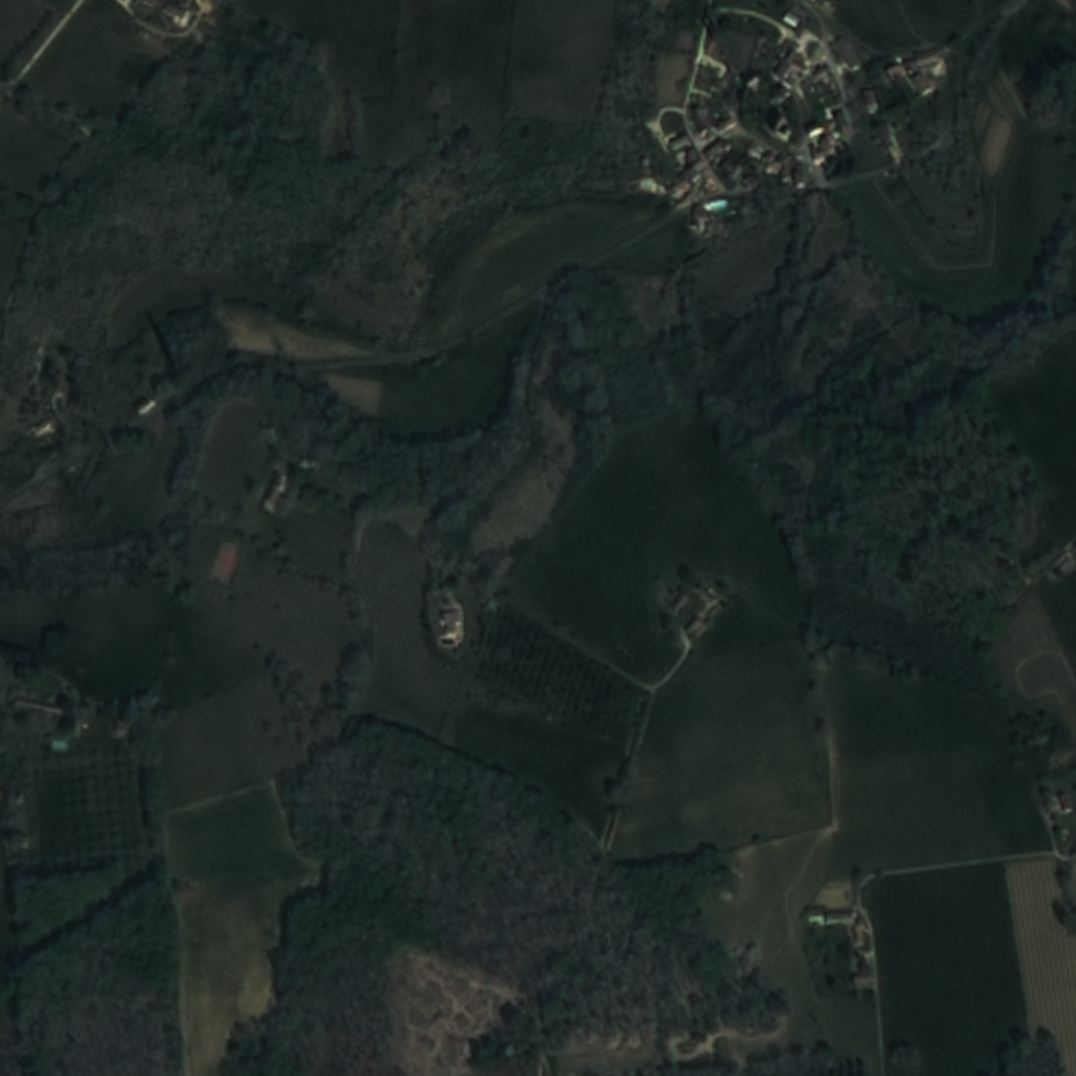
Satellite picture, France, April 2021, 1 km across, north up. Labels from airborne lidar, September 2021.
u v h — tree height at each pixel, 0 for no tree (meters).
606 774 0
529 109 0
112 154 13
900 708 0
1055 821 10
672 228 0
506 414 13
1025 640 0
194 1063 0
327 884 12
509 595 7
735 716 0
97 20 0
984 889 0
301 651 0
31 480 14
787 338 7
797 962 0
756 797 0
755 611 0
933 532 21
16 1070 9
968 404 20
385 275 7
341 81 0
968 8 8
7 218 13
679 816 0
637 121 11
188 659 0
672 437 0
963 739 0
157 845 19
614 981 15
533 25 0
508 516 0
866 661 19
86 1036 16
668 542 0
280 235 23
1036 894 0
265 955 0
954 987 0
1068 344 0
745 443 17
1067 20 0
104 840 9
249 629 0
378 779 23
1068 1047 0
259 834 0
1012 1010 0
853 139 0
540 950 18
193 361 12
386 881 20
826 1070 14
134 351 8
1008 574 17
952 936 0
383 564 0
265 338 0
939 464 11
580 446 7
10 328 17
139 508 0
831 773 0
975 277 0
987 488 24
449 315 0
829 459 12
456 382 0
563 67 0
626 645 0
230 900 0
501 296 0
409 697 0
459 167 11
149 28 7
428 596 15
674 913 19
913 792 0
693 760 0
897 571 16
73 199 21
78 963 19
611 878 17
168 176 20
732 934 0
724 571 0
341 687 8
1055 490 0
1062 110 34
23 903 26
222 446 0
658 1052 0
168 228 13
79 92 0
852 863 0
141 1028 18
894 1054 12
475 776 19
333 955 22
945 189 7
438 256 7
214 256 17
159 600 0
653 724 0
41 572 13
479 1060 19
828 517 16
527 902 10
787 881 0
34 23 0
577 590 0
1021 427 0
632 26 11
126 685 0
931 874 0
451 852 19
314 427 20
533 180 15
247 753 0
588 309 16
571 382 25
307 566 0
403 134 0
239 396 16
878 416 7
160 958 21
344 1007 21
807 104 0
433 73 0
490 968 17
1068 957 0
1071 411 0
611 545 0
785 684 0
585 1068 0
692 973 10
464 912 17
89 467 8
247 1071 22
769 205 16
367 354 0
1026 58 0
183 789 0
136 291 0
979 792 0
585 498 0
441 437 0
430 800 19
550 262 0
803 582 17
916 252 0
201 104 17
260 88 20
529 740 0
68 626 0
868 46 0
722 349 7
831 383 8
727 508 0
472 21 0
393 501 18
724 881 20
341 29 0
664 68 0
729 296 0
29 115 15
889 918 0
